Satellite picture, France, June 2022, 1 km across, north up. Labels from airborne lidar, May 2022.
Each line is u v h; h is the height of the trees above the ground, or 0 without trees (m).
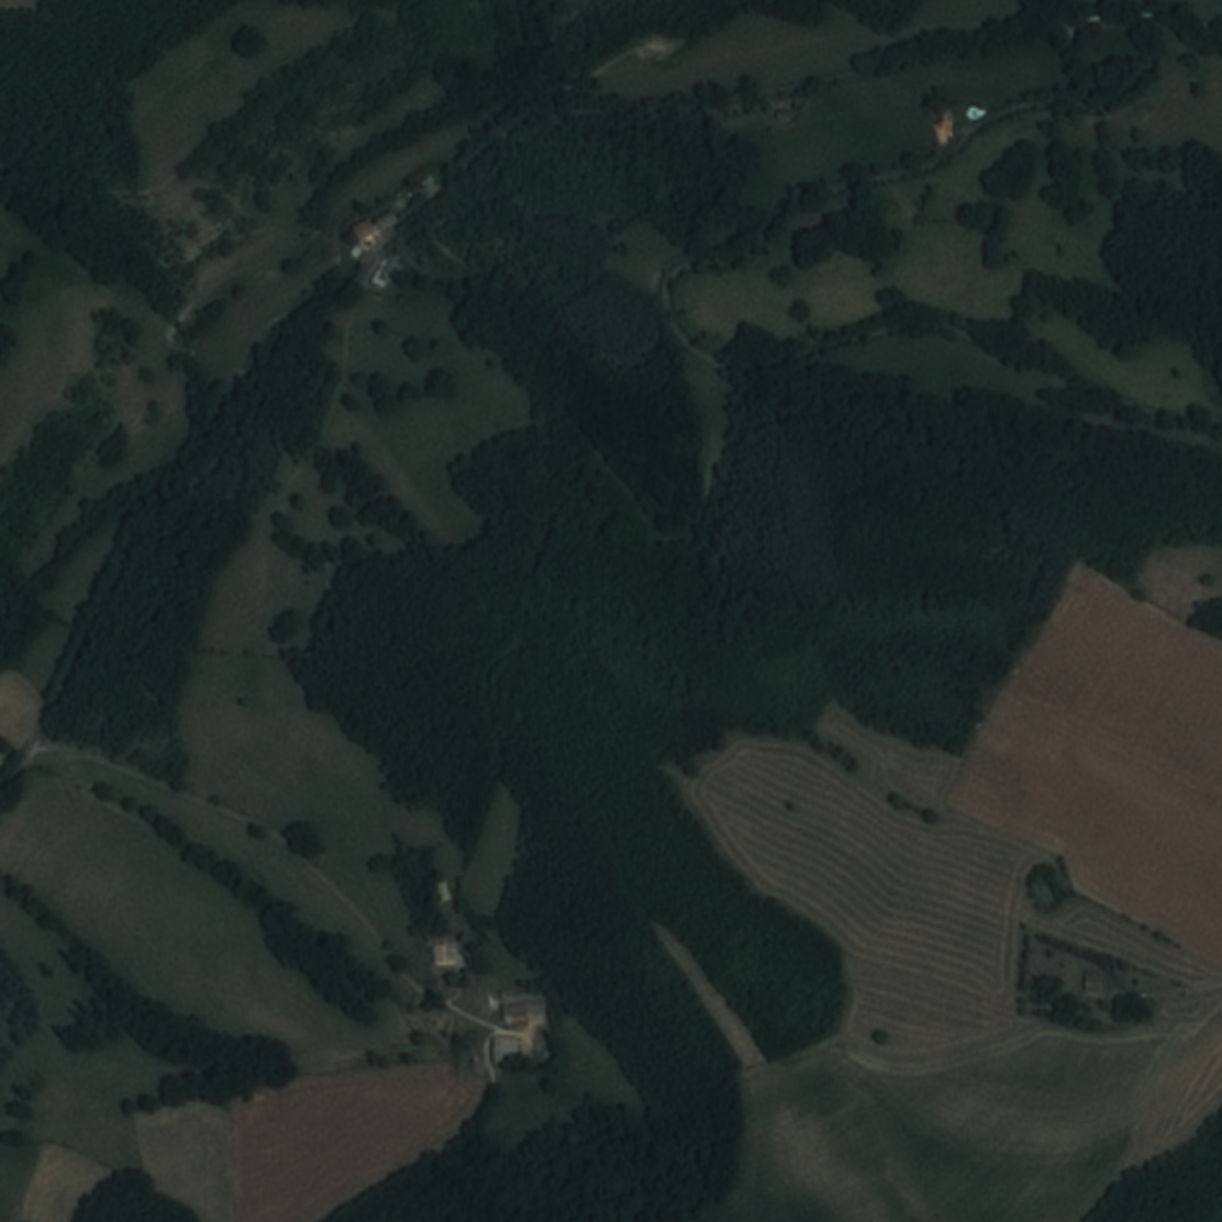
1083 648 0
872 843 0
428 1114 0
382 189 0
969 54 16
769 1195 0
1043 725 0
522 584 9
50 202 19
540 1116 0
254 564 0
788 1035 8
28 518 12
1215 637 13
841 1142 0
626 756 6
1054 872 9
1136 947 0
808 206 19
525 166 6
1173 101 0
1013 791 0
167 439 0
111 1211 17
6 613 11
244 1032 0
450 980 15
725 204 20
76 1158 0
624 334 19
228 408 14
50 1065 0
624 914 9
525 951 15
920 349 0
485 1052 0
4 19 15
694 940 8
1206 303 25
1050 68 0
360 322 0
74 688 16
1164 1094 0
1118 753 0
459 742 10
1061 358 16
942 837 0
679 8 10
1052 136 14
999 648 8
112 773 0
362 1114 0
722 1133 11
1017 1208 0
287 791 0
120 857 0
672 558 11
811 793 0
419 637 18
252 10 0
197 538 21
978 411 25
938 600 10
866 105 0
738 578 20
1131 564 8
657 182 11
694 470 11
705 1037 7
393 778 14
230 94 0
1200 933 0
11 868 0
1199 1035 0
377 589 22
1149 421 8
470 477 12
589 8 9
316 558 17
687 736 8
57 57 16
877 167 12
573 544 8
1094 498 21
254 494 9
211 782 0
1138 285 22
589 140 11
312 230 23
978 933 0
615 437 12
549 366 11
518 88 17
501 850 0
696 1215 11
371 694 9
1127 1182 11
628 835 7
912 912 0
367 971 20
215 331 0
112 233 20
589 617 7
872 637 7
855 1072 0
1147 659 0
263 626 0
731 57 0
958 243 0
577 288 8
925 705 5
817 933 9
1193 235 18
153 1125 0
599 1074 0
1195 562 0
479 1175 10
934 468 22
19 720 0
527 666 6
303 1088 0
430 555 22
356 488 13
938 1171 0
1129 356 12
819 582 19
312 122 7
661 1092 13
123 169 11
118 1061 0
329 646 16
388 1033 0
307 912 0
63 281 0
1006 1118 0
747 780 0
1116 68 19
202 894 0
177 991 0
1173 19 13
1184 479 21
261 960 0
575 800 8
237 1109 0
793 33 0
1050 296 22
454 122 9
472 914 10
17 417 0
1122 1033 0
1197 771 0
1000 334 21
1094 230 0
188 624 19
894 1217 0
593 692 7
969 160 0
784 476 22
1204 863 0
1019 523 19
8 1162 0
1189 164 17
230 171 10
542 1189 8
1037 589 16
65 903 0
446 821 8
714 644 9
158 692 16
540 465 19
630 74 0
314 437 13
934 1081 0
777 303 0
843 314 0
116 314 12
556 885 8
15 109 15
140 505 14
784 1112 0
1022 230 0
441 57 7
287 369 12
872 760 0
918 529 7
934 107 16
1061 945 10
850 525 9
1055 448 21
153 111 0
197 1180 0
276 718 0
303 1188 0
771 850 0
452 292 18
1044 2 19
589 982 13
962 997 0
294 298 0
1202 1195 18
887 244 17
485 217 9
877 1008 0
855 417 26
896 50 14
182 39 12
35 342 0
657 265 0
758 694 8
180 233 7
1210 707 0
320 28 0
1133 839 0
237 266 0
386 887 0
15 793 23
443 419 0
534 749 7
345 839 0
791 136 0
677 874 8
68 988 0
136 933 0
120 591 13
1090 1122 0
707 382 0
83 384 8
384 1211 8
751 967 7
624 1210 11
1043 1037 0
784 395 14
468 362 0
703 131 9
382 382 11
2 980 20
